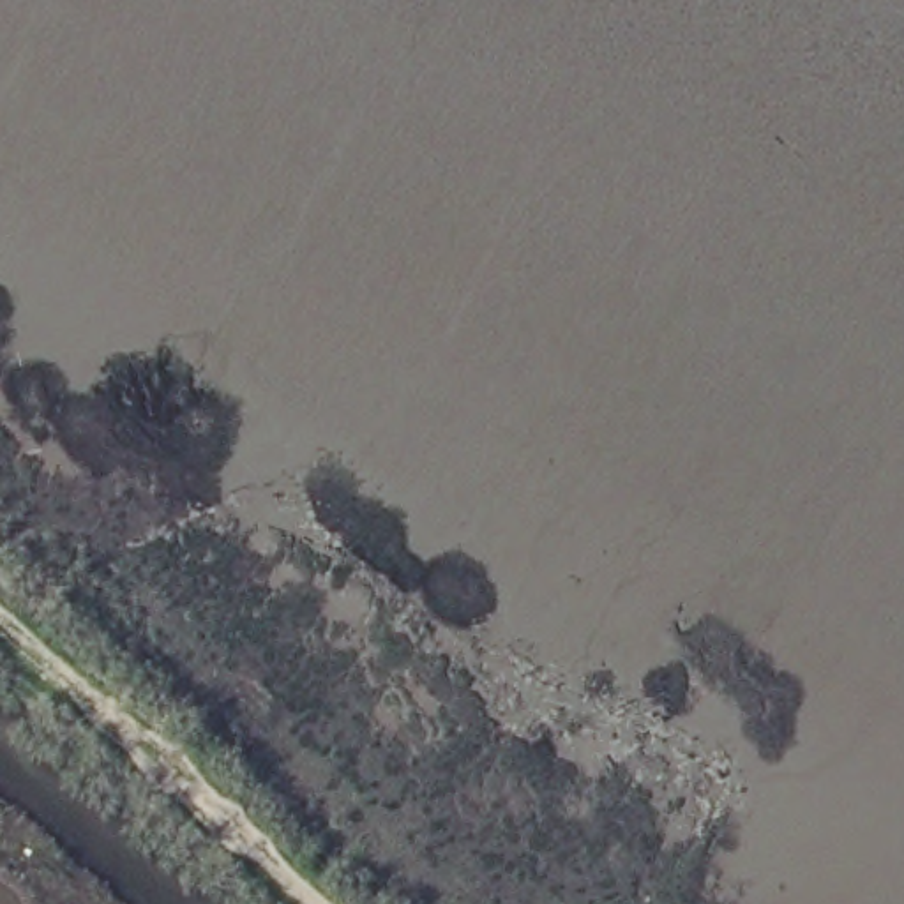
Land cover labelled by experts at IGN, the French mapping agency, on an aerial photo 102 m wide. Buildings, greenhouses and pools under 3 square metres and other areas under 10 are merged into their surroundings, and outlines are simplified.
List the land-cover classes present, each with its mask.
<instances>
[{"label":"bare soil","instance_id":"1","mask_svg":"<svg viewBox=\"0 0 904 904\"><path fill-rule=\"evenodd\" d=\"M0 286L11 293L14 304L7 343L11 360L53 364L67 378L71 392H88L92 385H99L109 357H155V350H170L194 371V381L201 388H215L219 396L237 399L240 431L219 473L222 498L215 505L187 509L166 526L131 533L124 544L127 551H138L152 540L184 537V530L198 526L230 537L244 533L258 554L275 551V537L290 530L321 554L325 547H339L343 537L318 523L307 498V477L318 466H343L346 473H353L357 494L403 512L413 554L438 558L459 551L480 561L487 569V579L494 583L498 607L477 625L452 629L427 611L420 593L396 590L388 576L371 572L364 565L335 597L325 600V629H304V650L314 657L328 650L357 653L364 685L374 689V696L381 699L374 706V720L385 735H396L406 745V756L441 749L445 724L438 717V699L417 682L410 667L374 674L378 643L388 632H399L410 639L413 650L448 653L452 664L470 667L473 685L487 703V713L505 731L526 742H537L551 731L558 756L576 763L586 777H600L607 766L622 763L636 784L650 787L653 809L667 805L671 798H685V809L664 826V848H674L689 837H703L710 819L731 816L738 830V848L717 851L703 883V900L720 904H904V0H0ZM706 614L735 625L752 650H763L770 657L777 671H787L802 682L795 738L787 752L773 763L763 759L759 749L745 738L738 703L710 689V682L699 671L689 674V710L674 720H664V706L646 696V674L653 667L671 664L682 650L671 629H689ZM0 427L11 431L25 456H35L42 463L46 473L74 477L81 466L57 441H35L21 427L0 385ZM194 682L237 696L244 713H268L272 699L258 674L198 667L191 674Z\"/></svg>","mask_w":904,"mask_h":904},{"label":"brushwood","instance_id":"2","mask_svg":"<svg viewBox=\"0 0 904 904\"><path fill-rule=\"evenodd\" d=\"M14 304L11 293L0 286V385L21 427L35 441H57L81 466L74 477L46 473L42 463L35 456H25L11 431L0 427V593L32 600L53 636H78L85 643L88 664H120V685L127 689V696L134 699L152 692L159 713H177L180 735L194 738L198 745L212 738L219 745V766L226 770V780L215 787L222 798L237 802L258 830L272 833L275 840L286 837L297 851L311 855L314 869L339 893H346L350 904H720L703 900V883L717 851L738 848V830L731 816L710 819L703 837H689L674 848H664V826L685 809V798H671L667 805L653 809L650 787L636 784L622 763L607 766L600 777H586L576 763L558 756L551 731L537 742H526L505 731L487 713V703L473 685L470 667L452 664L448 653L413 650L410 639L399 632H388L378 643L374 674L410 667L417 682L438 699V717L445 724L441 749L406 756V745L396 735H385L374 720V706L381 699L374 696V689L364 685L357 653L328 650L314 657L304 650V629H325V600L335 597L364 565L371 572L388 576L396 590L420 593L427 611L452 629L477 625L498 607L494 583L487 579V569L480 561L459 551L438 558L413 554L403 512L357 494L353 473H346L343 466H318L307 477V498L318 523L343 537L339 547H325L321 554L290 530L275 537V551L258 554L244 533L230 537L198 526L184 530V537L152 540L138 551H127L124 544L131 533L166 526L187 509L215 505L222 498L219 473L240 431L237 399L219 396L215 388H201L194 381V371L170 350H155V357H109L99 385H92L88 392H71L67 378L53 364L11 360L7 343ZM198 667L258 674L272 699L268 713H244L237 696L194 682L191 674ZM682 650L671 664L653 667L646 674V696L664 706V720H674L689 710V674L699 671L710 682V689L738 703L745 738L759 749L763 759L773 763L787 752L795 738L802 682L787 671H777L770 657L763 650H752L735 625L706 614L689 629H671ZM28 706L25 664L18 643L7 632H0V710ZM11 745L25 749L39 763H49L60 773L64 787L74 798L92 802L99 812H131L127 833L134 848L141 855H155L162 869H173L184 890H205L219 904H300L251 855L233 851L226 844L222 823L205 819L198 809H173L170 795L155 787L152 773L134 766L120 738V727L95 717L92 703H85L81 696L60 689L46 706L32 710L21 724L11 727Z\"/></svg>","mask_w":904,"mask_h":904},{"label":"herbaceous vegetation","instance_id":"3","mask_svg":"<svg viewBox=\"0 0 904 904\"><path fill-rule=\"evenodd\" d=\"M0 607L14 611L64 664L85 674L92 689L113 696L117 706H124L138 727L162 731L166 738L180 742L198 763L201 777L215 787L226 780V770L219 766V745L212 738L198 745L194 738L180 735L177 713H159L152 692L134 699L127 696V689L120 685V664H88L85 643L78 636H53L32 600L0 593ZM28 706L32 710L46 706L60 689L46 682L32 664H25ZM0 904H120L102 890V883L92 872L71 865L67 855L32 819L0 802ZM283 858L300 876H307L318 893H325L335 904H350L346 893H339L314 869L311 855L297 851L286 837L275 840Z\"/></svg>","mask_w":904,"mask_h":904},{"label":"water","instance_id":"4","mask_svg":"<svg viewBox=\"0 0 904 904\"><path fill-rule=\"evenodd\" d=\"M32 710L28 706L0 710V802L32 819L67 855L71 865L92 872L102 883V890L120 904H219L205 890H184L173 869H162L155 855H141L134 848L127 833L131 812H99L92 802L74 798L64 787L60 773L49 763H39L25 749L11 745V727L21 724Z\"/></svg>","mask_w":904,"mask_h":904},{"label":"pervious surface","instance_id":"5","mask_svg":"<svg viewBox=\"0 0 904 904\"><path fill-rule=\"evenodd\" d=\"M0 632H7L18 643L25 664H32L46 682L60 689L81 696L85 703H92L95 717L120 727V738L134 766L152 773L155 787L170 795L173 809H198L205 819L222 823L226 844L233 851L251 855L300 904H335L325 893H318L307 876H300L283 858L275 840L272 833L258 830L237 802L222 798L215 787L201 777L198 763L180 742L166 738L162 731L138 727L124 706H117L113 696L92 689L85 674L64 664L14 611L0 607Z\"/></svg>","mask_w":904,"mask_h":904}]
</instances>
